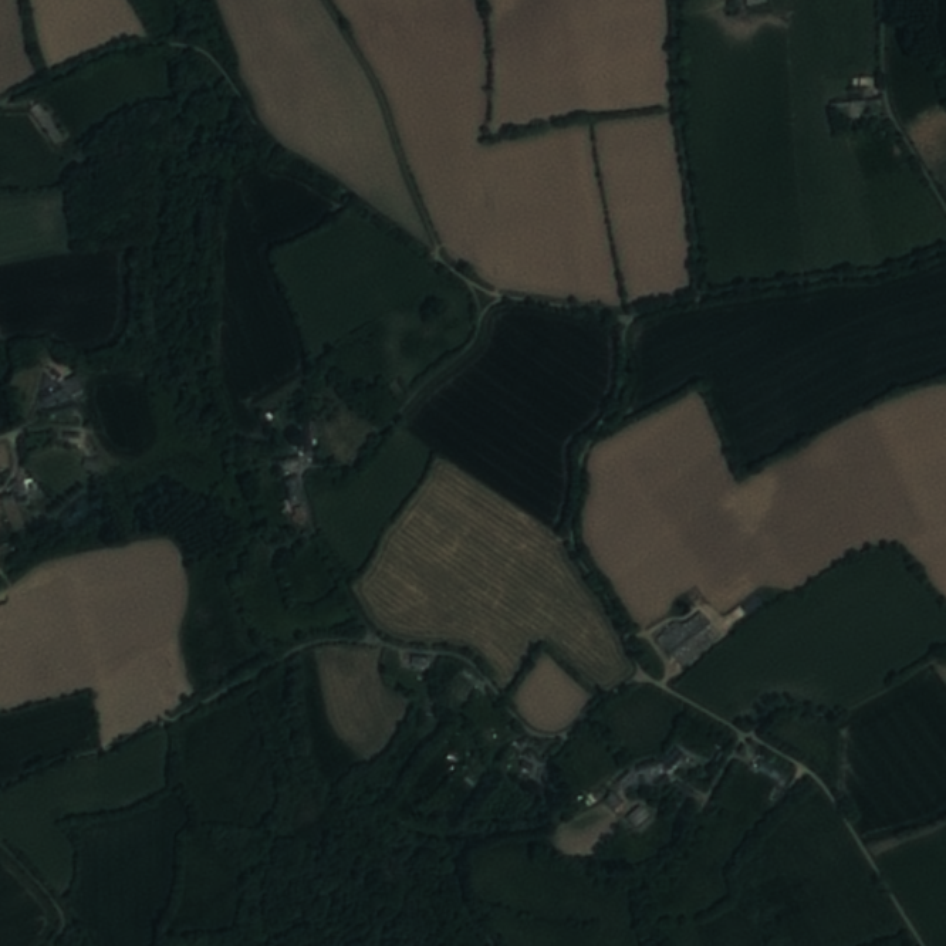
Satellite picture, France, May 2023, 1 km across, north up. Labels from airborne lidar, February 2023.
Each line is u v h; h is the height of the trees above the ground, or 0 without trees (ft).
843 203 0
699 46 0
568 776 0
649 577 0
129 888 0
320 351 0
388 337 0
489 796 77
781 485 0
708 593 0
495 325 0
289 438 53
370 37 0
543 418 0
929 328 0
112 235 63
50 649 0
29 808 0
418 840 48
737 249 0
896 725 0
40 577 0
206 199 33
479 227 0
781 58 0
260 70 0
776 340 0
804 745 0
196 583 0
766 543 0
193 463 0
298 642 42
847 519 0
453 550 0
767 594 0
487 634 0
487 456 0
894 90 0
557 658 27
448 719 48
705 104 0
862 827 0
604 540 0
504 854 0
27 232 0
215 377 53
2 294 0
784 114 0
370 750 0
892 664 0
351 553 0
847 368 0
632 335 0
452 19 0
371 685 0
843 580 0
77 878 21
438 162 0
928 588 23
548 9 0
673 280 0
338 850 45
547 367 0
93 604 0
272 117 0
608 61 0
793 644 0
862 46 0
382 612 0
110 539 110
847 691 0
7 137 0
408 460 0
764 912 37
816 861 0
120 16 0
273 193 0
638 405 0
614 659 0
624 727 0
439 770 0
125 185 67
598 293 0
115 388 0
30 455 23
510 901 0
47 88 42
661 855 22
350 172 0
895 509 0
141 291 69
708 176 0
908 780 0
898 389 44
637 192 0
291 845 54
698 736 0
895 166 0
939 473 0
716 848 0
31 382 0
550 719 0
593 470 0
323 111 0
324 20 0
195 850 0
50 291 0
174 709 0
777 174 0
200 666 0
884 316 0
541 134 43
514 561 0
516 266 0
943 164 0
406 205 0
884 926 0
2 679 0
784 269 0
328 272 0
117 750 42
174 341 57
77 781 0
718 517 0
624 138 0
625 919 0
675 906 0
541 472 0
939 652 54
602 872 46
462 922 31
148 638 0
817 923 0
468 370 0
